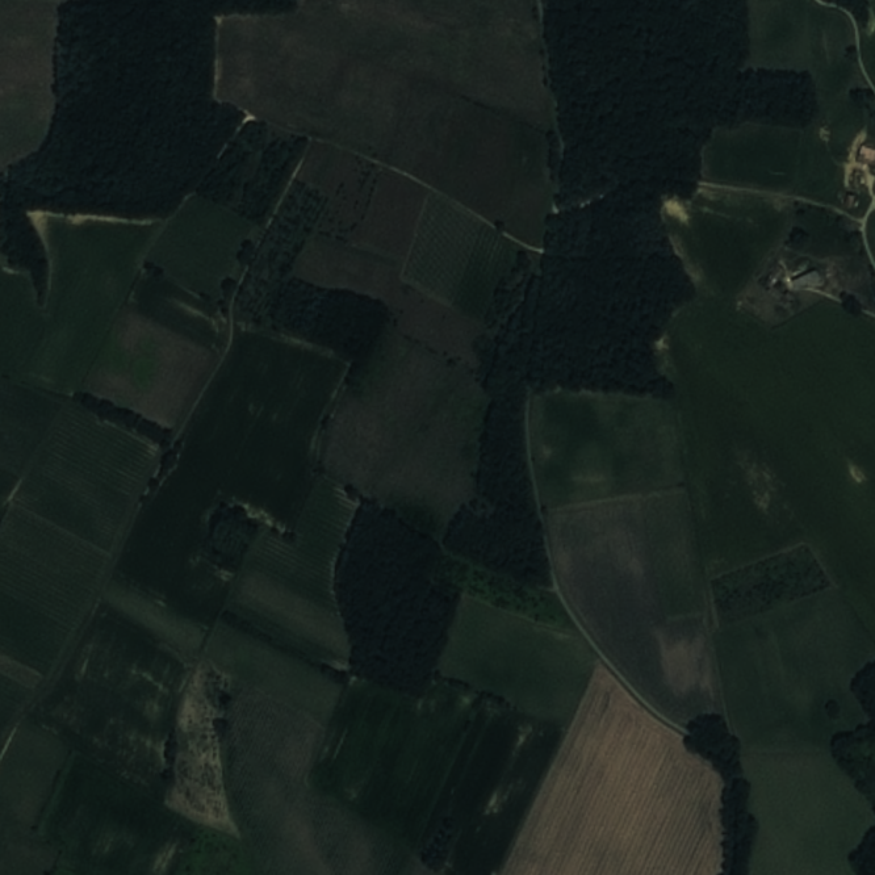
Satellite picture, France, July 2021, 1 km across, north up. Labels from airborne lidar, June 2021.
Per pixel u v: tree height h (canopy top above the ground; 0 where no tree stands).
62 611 0
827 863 0
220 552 22
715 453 0
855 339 0
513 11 0
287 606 0
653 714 0
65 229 0
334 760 0
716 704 0
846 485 0
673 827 0
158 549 0
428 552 17
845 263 0
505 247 0
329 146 0
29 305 0
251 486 0
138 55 15
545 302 15
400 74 0
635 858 0
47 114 0
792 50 0
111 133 13
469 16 0
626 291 24
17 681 0
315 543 0
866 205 0
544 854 0
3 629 0
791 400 0
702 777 0
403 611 21
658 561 0
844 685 0
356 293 13
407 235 0
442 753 0
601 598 0
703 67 24
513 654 0
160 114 19
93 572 0
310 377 0
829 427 0
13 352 0
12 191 17
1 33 0
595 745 0
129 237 0
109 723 0
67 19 15
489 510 20
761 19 0
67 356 0
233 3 11
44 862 0
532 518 13
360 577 20
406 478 0
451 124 0
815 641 0
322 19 0
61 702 0
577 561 0
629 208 18
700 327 0
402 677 19
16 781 0
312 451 0
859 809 0
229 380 0
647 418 0
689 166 16
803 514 0
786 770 0
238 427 0
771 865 0
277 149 9
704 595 0
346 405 0
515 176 0
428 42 0
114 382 0
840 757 11
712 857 0
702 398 0
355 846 0
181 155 14
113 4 19
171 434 12
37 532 0
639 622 0
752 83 12
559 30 14
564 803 0
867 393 0
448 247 0
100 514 0
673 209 0
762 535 0
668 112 16
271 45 0
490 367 7
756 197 0
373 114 0
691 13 19
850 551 0
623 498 0
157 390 0
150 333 0
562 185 12
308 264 0
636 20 16
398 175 0
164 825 0
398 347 0
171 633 0
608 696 0
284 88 0
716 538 0
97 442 0
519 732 0
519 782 0
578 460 0
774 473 0
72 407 0
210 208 0
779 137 0
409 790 0
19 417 0
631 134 14
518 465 15
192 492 0
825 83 0
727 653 0
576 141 11
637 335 29
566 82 14
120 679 0
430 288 0
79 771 0
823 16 0
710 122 13
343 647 0
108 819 0
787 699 0
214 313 0
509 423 20
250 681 0
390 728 0
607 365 21
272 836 0
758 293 0
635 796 0
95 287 0
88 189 17
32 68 0
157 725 0
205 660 0
